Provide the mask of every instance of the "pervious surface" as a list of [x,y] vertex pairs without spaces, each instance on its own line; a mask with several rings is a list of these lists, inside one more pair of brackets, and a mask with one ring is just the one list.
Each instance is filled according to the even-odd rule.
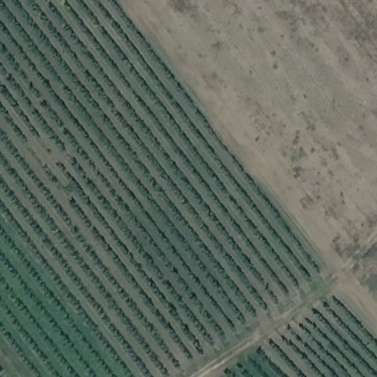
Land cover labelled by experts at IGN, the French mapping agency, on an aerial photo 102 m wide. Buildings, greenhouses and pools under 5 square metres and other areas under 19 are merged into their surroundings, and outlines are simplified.
[[224,358],[206,364],[191,377],[221,377],[227,364]]

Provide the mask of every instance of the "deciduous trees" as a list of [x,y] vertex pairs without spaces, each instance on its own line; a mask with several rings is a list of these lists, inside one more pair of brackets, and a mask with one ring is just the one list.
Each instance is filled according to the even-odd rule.
[[339,323],[333,327],[333,324],[315,308],[312,309],[312,314],[317,315],[327,325],[324,330],[317,327],[314,321],[305,318],[305,321],[315,328],[314,331],[309,331],[305,324],[299,324],[306,333],[302,339],[292,325],[287,325],[287,331],[292,336],[289,339],[281,336],[283,342],[295,350],[318,377],[377,377],[377,337],[339,297],[334,296],[333,290],[325,286],[320,274],[320,265],[300,242],[287,219],[281,215],[280,209],[269,199],[267,191],[247,172],[233,150],[222,141],[205,113],[194,103],[193,97],[187,93],[184,85],[163,62],[162,57],[156,53],[143,32],[135,27],[133,19],[127,15],[118,0],[0,0],[0,340],[9,337],[12,345],[37,377],[155,377],[153,373],[158,368],[163,376],[168,376],[168,368],[163,362],[168,359],[175,368],[180,367],[180,362],[172,353],[177,346],[183,350],[190,365],[196,364],[200,358],[206,364],[224,358],[227,364],[221,377],[289,377],[268,358],[267,353],[256,352],[256,346],[244,350],[240,355],[231,349],[231,346],[239,345],[240,340],[246,339],[258,328],[259,318],[256,317],[256,309],[253,308],[252,302],[258,300],[264,309],[268,309],[264,296],[269,295],[274,303],[278,302],[278,297],[272,292],[269,283],[275,281],[283,293],[289,293],[289,289],[280,278],[284,272],[295,286],[308,281],[315,299],[320,300],[324,308]]
[[295,371],[297,377],[308,377],[271,339],[269,346]]

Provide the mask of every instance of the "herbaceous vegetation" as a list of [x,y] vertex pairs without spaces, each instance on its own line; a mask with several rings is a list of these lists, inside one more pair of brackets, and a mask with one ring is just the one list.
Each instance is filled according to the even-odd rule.
[[0,340],[0,377],[37,377],[12,345],[9,337]]
[[183,350],[177,346],[172,353],[180,362],[180,367],[175,368],[168,359],[163,362],[168,368],[168,376],[163,376],[158,368],[153,373],[155,377],[191,377],[206,364],[200,358],[196,364],[190,365]]
[[314,331],[315,328],[305,321],[305,318],[314,321],[317,327],[324,330],[327,325],[317,315],[312,314],[312,309],[315,308],[333,324],[333,327],[339,323],[324,308],[320,300],[315,299],[308,281],[295,286],[284,272],[280,278],[289,289],[289,293],[283,293],[275,281],[269,283],[272,292],[278,297],[278,302],[274,303],[269,295],[264,296],[268,309],[264,309],[258,300],[252,302],[253,308],[256,309],[256,317],[259,318],[258,328],[246,339],[240,340],[239,345],[231,346],[231,349],[240,355],[244,350],[256,346],[256,352],[267,353],[268,358],[289,377],[297,377],[295,371],[269,346],[271,339],[308,377],[318,377],[295,350],[283,342],[281,336],[289,339],[292,336],[287,331],[287,325],[292,325],[302,339],[306,333],[299,324],[305,324],[309,331]]

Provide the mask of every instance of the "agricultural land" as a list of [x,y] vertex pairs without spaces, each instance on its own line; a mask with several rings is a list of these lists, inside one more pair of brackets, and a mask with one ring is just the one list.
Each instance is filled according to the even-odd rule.
[[135,27],[143,32],[156,53],[162,57],[163,62],[184,85],[187,93],[193,97],[194,103],[205,113],[222,141],[233,150],[247,172],[267,191],[269,199],[280,209],[281,215],[287,219],[300,242],[320,265],[320,274],[325,286],[333,290],[334,296],[339,297],[377,337],[377,0],[118,0],[127,15],[133,19]]

